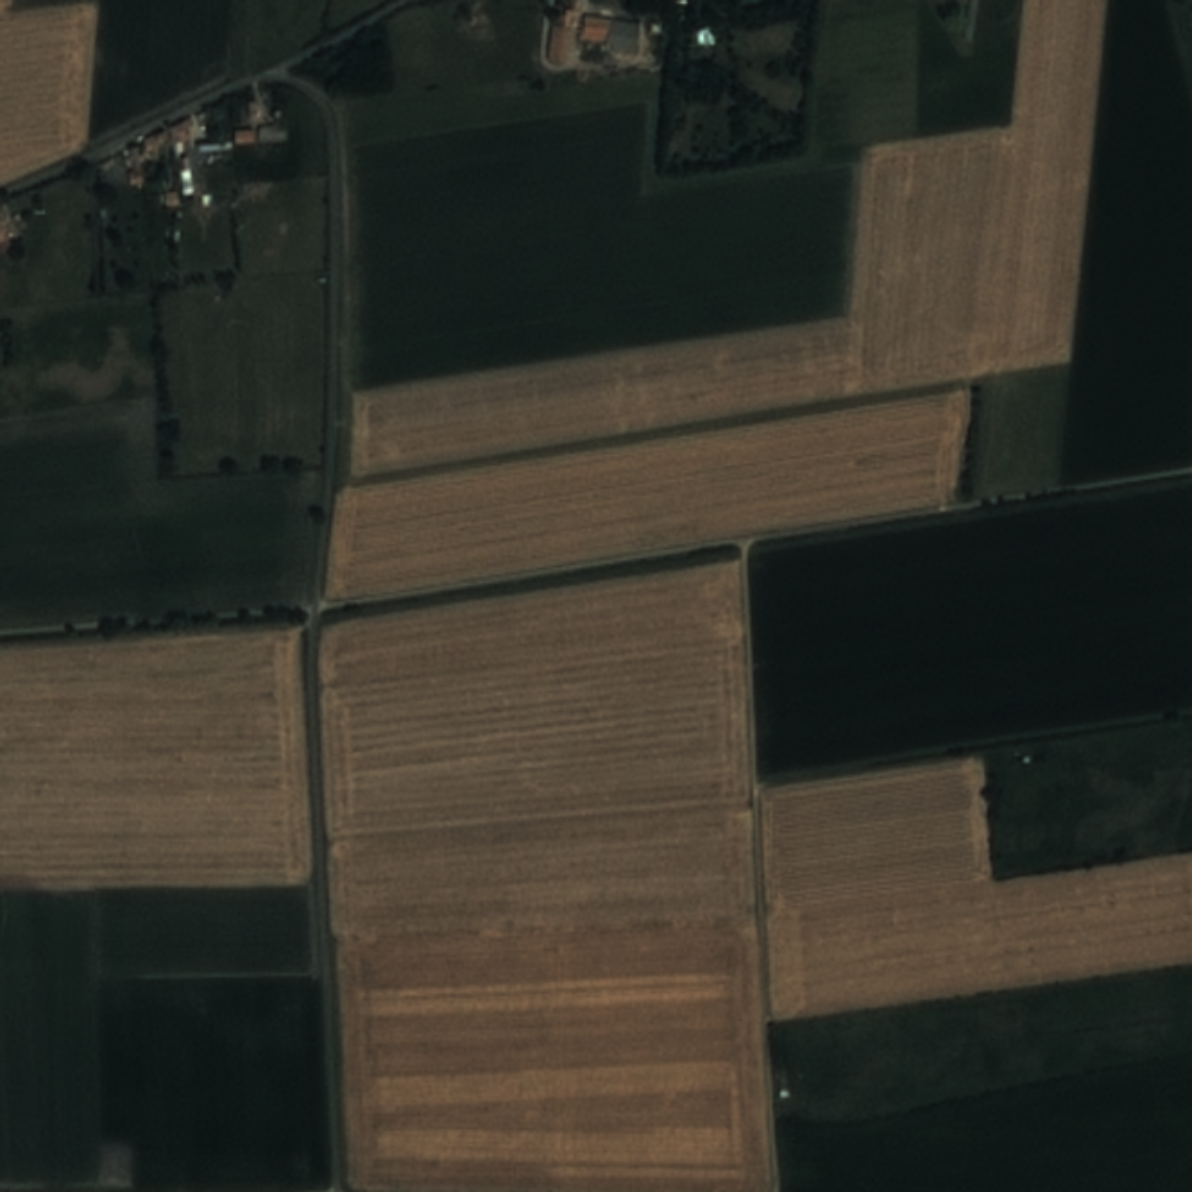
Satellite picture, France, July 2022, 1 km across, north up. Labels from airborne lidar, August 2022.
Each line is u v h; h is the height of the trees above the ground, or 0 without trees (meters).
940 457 0
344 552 0
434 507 0
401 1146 0
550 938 0
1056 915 0
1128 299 0
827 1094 0
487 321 0
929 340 0
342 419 0
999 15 0
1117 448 0
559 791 0
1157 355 0
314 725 0
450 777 0
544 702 0
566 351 0
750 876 0
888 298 0
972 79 0
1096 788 0
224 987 0
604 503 0
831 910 0
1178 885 0
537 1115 0
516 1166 0
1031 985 0
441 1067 0
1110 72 0
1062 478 0
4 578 0
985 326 0
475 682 0
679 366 0
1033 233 0
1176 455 0
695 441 0
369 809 0
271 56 0
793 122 8
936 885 0
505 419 0
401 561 0
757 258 0
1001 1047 0
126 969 0
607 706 0
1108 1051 0
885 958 0
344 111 0
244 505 0
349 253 0
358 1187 0
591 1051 0
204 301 0
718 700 0
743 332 0
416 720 0
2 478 0
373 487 0
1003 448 0
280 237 0
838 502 0
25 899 0
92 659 0
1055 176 0
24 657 0
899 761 0
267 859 0
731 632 0
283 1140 0
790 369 0
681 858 0
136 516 0
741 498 0
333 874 0
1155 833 0
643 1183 0
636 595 0
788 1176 0
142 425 0
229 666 0
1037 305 0
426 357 0
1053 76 0
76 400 0
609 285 0
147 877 0
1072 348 0
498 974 0
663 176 7
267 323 0
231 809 0
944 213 0
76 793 0
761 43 0
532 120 0
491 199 0
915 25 0
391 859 0
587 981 0
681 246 0
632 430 0
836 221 0
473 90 0
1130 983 0
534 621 0
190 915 0
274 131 0
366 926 0
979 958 0
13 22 0
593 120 0
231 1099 0
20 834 0
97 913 0
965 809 0
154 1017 0
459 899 0
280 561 0
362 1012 0
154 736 0
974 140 0
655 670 0
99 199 9
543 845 0
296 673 0
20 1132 0
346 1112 0
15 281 0
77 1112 0
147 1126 0
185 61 0
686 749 0
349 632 0
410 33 0
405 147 0
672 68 10
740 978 0
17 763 0
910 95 0
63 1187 0
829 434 0
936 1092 0
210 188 0
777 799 0
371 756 0
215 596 0
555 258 0
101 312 0
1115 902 0
